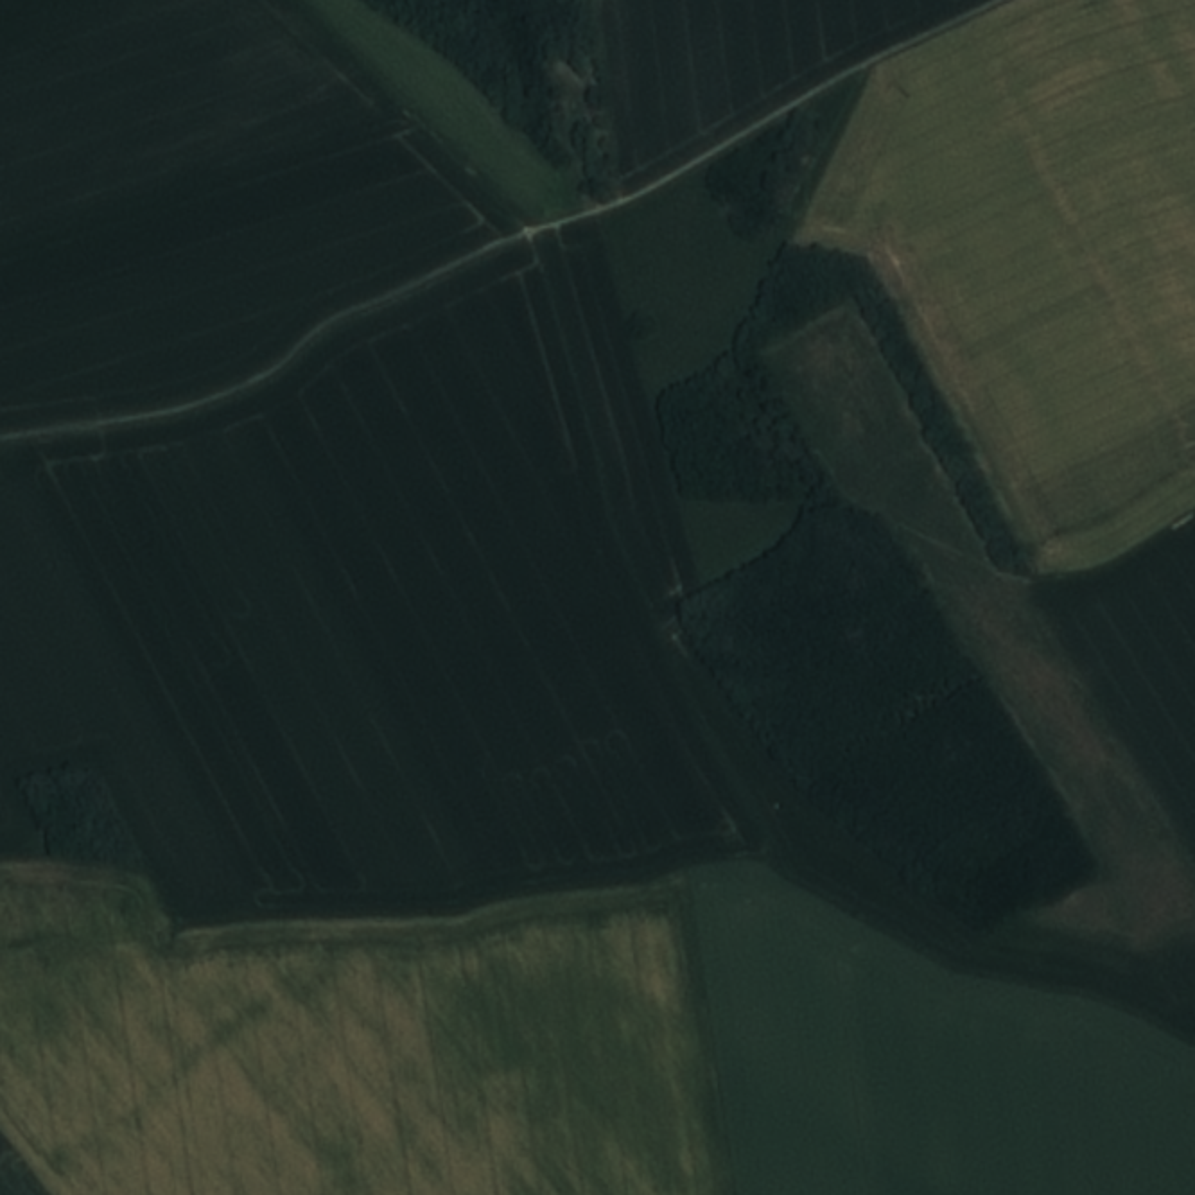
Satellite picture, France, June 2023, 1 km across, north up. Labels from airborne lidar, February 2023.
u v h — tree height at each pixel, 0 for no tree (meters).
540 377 0
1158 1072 0
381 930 0
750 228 6
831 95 0
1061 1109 0
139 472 0
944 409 15
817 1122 0
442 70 0
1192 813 0
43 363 0
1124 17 0
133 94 0
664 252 0
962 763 16
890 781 16
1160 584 0
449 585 0
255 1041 0
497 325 0
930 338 0
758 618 22
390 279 0
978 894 10
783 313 18
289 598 0
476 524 0
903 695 20
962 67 0
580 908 0
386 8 14
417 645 0
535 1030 0
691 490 15
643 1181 0
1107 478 0
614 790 0
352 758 0
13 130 0
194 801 0
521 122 18
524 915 0
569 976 0
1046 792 17
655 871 0
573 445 0
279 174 0
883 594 22
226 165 0
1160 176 0
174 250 0
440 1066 0
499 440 0
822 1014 0
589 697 0
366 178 0
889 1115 0
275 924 0
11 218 0
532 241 0
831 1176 0
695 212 0
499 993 0
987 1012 0
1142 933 0
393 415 0
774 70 0
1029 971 0
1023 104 0
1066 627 0
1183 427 0
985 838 19
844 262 16
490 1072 0
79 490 0
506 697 0
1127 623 0
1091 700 0
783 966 0
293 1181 0
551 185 0
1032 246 0
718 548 0
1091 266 0
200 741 0
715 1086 0
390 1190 0
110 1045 0
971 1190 0
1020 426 0
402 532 0
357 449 0
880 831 14
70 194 0
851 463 0
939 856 18
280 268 0
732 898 0
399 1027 0
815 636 22
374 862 0
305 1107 0
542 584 0
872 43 0
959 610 0
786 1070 0
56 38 0
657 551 0
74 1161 0
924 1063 0
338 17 0
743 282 0
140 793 0
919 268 0
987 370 0
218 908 0
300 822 0
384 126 0
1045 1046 0
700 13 0
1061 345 0
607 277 0
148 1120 0
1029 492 0
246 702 0
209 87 0
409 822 0
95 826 16
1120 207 0
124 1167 0
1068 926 0
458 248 0
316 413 0
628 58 0
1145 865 0
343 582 0
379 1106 0
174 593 0
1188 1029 0
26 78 0
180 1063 0
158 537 0
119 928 0
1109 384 0
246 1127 0
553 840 0
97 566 0
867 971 0
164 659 0
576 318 0
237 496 0
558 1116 0
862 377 0
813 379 0
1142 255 0
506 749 0
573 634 0
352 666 0
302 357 0
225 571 0
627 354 0
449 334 0
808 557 20
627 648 0
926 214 0
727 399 16
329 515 0
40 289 0
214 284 0
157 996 0
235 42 0
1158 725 0
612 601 0
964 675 16
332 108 0
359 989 0
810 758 20
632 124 0
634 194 0
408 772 0
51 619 0
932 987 0
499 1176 0
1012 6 0
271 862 0
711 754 0
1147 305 0
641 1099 0
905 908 0
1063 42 0
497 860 0
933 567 0
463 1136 0
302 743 0
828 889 0
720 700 0
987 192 0
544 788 0
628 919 0
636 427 0
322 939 0
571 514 0
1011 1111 0
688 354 0
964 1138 0
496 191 0
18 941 0
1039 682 0
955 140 0
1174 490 0
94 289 0
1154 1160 0
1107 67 0
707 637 18
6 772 0
